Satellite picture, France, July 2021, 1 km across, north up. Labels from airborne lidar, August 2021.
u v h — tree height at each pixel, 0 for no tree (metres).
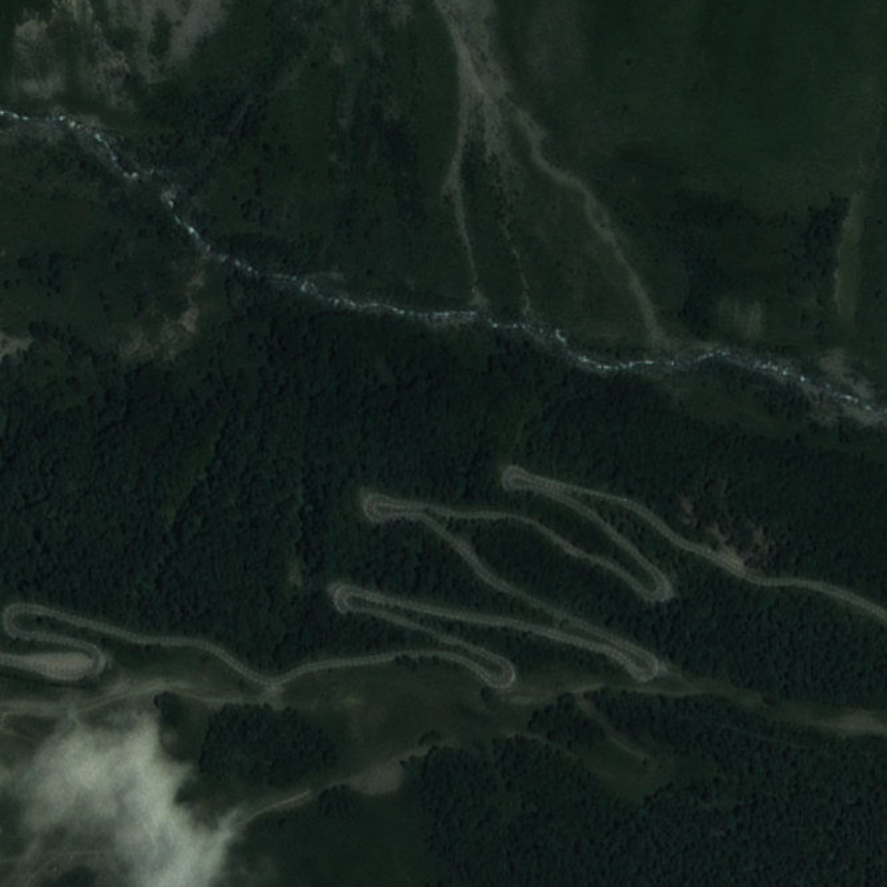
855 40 0
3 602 7
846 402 0
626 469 20
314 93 0
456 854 13
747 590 15
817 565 19
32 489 20
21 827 0
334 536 12
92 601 18
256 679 0
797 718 0
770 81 0
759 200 0
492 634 15
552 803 19
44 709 0
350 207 8
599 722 6
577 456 7
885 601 14
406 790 0
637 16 0
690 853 25
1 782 0
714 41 0
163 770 0
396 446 18
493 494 16
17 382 10
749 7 0
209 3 0
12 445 16
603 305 0
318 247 6
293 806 0
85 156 7
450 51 0
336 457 19
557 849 13
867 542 18
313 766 9
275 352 13
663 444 20
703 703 10
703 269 7
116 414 8
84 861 0
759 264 0
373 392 11
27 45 0
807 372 13
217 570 21
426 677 0
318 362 19
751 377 9
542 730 10
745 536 14
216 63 0
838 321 0
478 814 15
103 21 0
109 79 0
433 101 0
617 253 0
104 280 0
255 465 19
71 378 9
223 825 0
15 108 6
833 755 8
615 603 14
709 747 13
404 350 23
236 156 9
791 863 22
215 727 12
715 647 23
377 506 0
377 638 17
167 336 0
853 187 0
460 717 0
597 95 0
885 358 0
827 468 19
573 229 0
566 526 11
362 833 0
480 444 17
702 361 5
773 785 16
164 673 0
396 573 24
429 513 10
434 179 0
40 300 0
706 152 0
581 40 0
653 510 14
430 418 19
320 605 15
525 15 0
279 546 21
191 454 19
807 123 0
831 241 9
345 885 0
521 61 0
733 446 16
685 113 0
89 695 0
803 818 22
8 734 0
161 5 0
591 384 18
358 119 7
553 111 0
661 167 0
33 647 6
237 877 0
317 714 0
